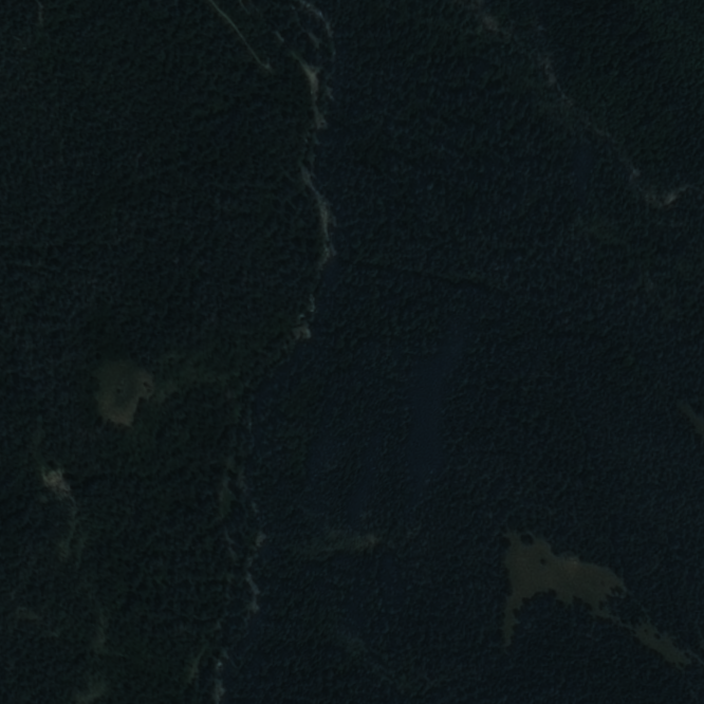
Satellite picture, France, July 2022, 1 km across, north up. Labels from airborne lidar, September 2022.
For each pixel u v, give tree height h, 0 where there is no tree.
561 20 26
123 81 16
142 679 36
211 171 28
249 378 36
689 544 23
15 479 31
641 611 11
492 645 9
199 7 16
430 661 15
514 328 24
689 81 24
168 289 19
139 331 23
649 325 28
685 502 20
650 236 22
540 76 15
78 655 10
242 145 18
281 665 18
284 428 25
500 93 32
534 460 30
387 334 22
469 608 27
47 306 33
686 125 24
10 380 10
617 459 23
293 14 29
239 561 7
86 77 6
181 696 21
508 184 10
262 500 32
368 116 26
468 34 27
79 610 22
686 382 21
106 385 0
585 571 0
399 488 19
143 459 20
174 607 24
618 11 21
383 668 9
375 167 9
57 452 20
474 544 28
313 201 11
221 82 26
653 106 25
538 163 21
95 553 25
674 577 26
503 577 23
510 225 16
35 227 21
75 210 13
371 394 19
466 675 29
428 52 38
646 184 8
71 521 6
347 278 27
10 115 15
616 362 22
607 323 23
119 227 28
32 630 25
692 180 13
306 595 18
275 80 9
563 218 19
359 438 16
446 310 14
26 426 20
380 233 18
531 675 18
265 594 18
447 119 11
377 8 12
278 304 36
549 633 17
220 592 29
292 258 39
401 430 35
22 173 26
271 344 30
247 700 10
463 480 24
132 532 19
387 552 13
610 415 19
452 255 24
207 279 37
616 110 23
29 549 24
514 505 30
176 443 31
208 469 10
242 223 27
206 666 12
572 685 11
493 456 28
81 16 10
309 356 33
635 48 26
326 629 12
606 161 16
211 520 26
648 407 20
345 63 20
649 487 23
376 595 28
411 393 16
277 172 41
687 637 17
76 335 25
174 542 32
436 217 30
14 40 18
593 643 13
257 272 32
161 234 27
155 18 12
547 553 0
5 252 18
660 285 17
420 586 16
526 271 22
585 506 25
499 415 27
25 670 24
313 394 21
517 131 13
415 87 16
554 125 7
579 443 27
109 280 22
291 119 19
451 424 16
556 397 26
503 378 27
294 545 8
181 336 22
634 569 23
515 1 10
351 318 32
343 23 18
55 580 15
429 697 15
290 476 16
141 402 9
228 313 25
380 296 23
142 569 30
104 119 18
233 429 38
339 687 27
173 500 9
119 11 19
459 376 23
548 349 22
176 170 27
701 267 9
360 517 13
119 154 26
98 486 26
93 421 20
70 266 19
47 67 31
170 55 22
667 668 19
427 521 15
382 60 21
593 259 27
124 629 27
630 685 15
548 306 12
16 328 25
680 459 24
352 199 35
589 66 31
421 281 25
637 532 29
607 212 9
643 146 21
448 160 8
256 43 17
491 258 32
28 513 31
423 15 6
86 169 14
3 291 29
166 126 27
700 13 19
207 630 20
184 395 16
